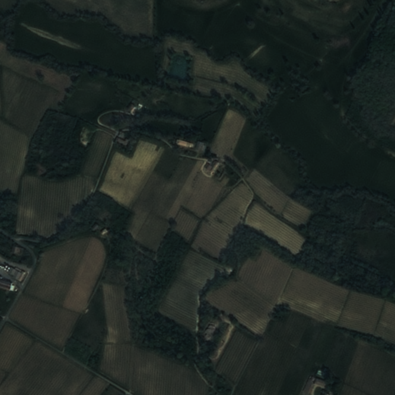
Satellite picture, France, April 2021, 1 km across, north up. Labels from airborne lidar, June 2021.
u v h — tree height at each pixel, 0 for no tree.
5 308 0
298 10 0
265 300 0
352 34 0
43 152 9
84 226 14
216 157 11
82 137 0
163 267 21
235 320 20
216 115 0
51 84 0
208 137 0
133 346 0
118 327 0
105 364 0
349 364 0
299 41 0
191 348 18
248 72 11
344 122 14
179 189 0
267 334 0
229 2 0
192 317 0
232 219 0
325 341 0
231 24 0
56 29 0
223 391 7
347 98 0
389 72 16
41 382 0
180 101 0
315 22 0
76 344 7
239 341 0
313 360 0
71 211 0
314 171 0
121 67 0
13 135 0
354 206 13
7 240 8
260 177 0
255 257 12
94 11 0
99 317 0
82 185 0
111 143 0
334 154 0
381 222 12
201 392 0
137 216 0
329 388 14
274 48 0
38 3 9
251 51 0
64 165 10
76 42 0
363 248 0
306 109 0
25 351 0
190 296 0
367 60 16
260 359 0
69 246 0
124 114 0
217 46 0
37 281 0
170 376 0
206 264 0
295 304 0
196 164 0
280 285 0
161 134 19
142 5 0
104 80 0
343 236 17
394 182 0
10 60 0
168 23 0
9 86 0
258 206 0
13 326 0
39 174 0
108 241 9
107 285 0
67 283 0
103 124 0
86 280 0
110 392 0
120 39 10
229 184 0
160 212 0
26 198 0
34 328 0
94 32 0
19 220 0
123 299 0
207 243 0
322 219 12
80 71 13
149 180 0
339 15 0
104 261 0
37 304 0
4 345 0
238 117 0
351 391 0
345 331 9
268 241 22
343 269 21
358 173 0
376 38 23
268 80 12
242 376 0
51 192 0
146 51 0
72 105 0
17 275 0
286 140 0
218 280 13
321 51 0
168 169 0
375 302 0
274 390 0
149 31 0
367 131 6
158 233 0
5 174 0
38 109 0
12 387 0
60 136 6
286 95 0
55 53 0
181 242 6
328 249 9
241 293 0
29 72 0
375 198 17
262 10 15
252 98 20
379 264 0
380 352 0
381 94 24
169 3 0
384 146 8
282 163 0
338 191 19
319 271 25
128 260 9
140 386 0
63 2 0
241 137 0
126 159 0
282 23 0
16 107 0
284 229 0
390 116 17
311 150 0
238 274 0
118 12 0
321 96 0
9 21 17
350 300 0
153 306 12
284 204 0
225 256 20
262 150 0
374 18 0
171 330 17
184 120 21
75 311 0
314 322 0
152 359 0
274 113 0
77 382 0
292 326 0
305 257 15
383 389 0
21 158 0
